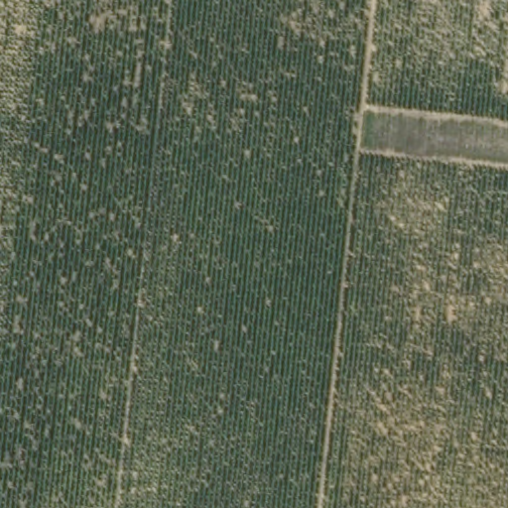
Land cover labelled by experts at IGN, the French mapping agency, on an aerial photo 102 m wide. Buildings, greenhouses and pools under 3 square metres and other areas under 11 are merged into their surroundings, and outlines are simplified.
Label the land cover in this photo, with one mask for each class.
<instances>
[{"label":"vineyard","instance_id":"1","mask_svg":"<svg viewBox=\"0 0 508 508\"><path fill-rule=\"evenodd\" d=\"M0 508H508V0H0Z\"/></svg>","mask_w":508,"mask_h":508}]
</instances>
